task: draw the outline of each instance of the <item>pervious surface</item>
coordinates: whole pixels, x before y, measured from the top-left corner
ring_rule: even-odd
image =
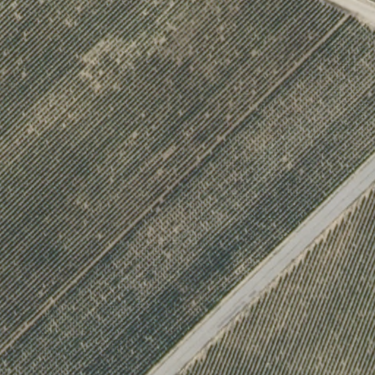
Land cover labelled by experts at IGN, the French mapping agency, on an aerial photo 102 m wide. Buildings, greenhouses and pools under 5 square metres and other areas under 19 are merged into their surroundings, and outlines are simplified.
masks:
[[[366,23],[375,29],[375,0],[331,0],[352,10],[354,18],[360,23]]]

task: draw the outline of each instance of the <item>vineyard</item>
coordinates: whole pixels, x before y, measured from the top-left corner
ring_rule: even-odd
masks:
[[[220,305],[221,300],[234,287],[239,286],[272,250],[283,243],[300,223],[303,223],[319,205],[324,204],[338,187],[356,173],[357,168],[375,154],[375,29],[366,23],[360,23],[354,18],[352,10],[331,0],[0,0],[0,375],[146,375],[215,306]]]
[[[306,245],[308,252],[302,261],[290,259],[289,264],[281,271],[280,278],[272,278],[262,292],[250,293],[250,303],[246,303],[242,311],[234,312],[230,316],[230,321],[223,328],[226,333],[221,335],[220,340],[209,338],[204,347],[196,352],[195,357],[198,360],[187,360],[176,375],[375,375],[375,179],[368,189],[362,190],[360,195],[347,205],[346,217],[334,227],[334,230],[319,231],[312,242]]]

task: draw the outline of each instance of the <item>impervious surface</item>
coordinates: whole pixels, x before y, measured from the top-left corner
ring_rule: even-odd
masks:
[[[334,230],[334,227],[346,217],[347,205],[360,195],[362,190],[368,189],[375,179],[375,154],[357,168],[356,173],[338,187],[324,204],[319,205],[303,223],[300,223],[283,243],[272,250],[239,286],[234,287],[221,300],[220,305],[215,306],[146,375],[176,375],[187,360],[198,360],[195,357],[196,352],[204,347],[209,338],[220,340],[221,335],[226,333],[223,328],[230,321],[230,316],[234,312],[242,311],[246,303],[250,303],[250,293],[262,292],[272,278],[280,278],[281,271],[289,264],[290,259],[302,261],[308,252],[306,245],[312,242],[319,231]]]

